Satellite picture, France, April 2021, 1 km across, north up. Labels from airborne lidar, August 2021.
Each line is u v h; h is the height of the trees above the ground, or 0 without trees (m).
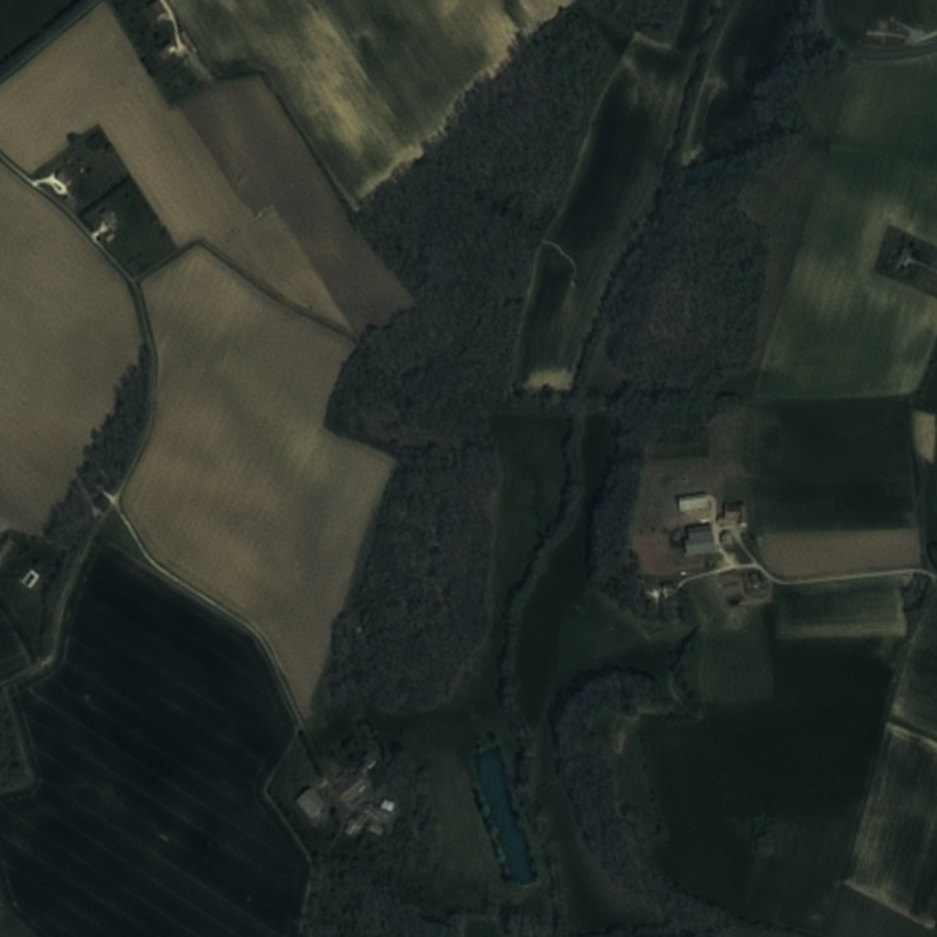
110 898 0
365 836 6
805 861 0
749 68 0
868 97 0
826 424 0
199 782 0
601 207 0
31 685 0
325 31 0
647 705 9
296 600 0
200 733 0
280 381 0
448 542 17
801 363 0
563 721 23
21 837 0
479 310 18
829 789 0
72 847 0
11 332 0
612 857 23
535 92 21
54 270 0
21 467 0
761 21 0
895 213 0
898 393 0
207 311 0
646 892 20
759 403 0
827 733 0
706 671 0
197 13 0
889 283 0
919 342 0
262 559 0
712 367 16
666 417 20
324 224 0
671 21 19
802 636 0
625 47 0
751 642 0
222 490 0
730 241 12
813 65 24
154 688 0
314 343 0
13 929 0
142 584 0
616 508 22
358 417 9
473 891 0
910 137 0
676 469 0
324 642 0
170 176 0
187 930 0
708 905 8
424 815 12
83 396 0
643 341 14
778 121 18
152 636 0
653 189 0
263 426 0
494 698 0
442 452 12
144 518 0
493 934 0
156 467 0
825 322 0
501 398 17
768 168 18
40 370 0
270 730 0
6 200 0
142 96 0
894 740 0
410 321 15
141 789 0
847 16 0
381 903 20
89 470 14
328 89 0
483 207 22
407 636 6
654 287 16
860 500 0
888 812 0
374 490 0
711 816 0
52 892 0
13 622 0
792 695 0
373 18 0
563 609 0
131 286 0
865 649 0
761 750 0
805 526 0
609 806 18
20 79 0
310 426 0
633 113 0
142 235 0
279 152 0
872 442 0
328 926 11
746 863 0
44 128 0
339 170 0
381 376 10
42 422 0
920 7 0
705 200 15
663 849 0
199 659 0
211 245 0
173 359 0
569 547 0
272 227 0
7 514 0
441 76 0
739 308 16
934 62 0
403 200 20
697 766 0
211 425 0
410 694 24
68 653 0
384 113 0
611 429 0
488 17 0
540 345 0
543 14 0
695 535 0
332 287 0
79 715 0
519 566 0
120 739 0
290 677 0
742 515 0
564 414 19
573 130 25
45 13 0
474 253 19
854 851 0
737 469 0
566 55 21
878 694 0
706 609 0
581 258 0
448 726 0
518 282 25
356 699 15
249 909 0
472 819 0
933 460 0
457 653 24
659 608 14
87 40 0
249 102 0
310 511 0
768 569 0
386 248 15
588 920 0
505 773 11
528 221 9
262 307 0
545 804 0
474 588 23
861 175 0
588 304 0
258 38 0
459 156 18
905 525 0
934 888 0
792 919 0
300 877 0
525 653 0
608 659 0
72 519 18
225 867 0
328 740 0
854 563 0
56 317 0
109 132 0
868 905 0
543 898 0
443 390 23
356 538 0
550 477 0
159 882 0
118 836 0
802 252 0
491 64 0
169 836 0
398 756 18
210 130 0
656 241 20
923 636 0
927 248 0
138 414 17
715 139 0
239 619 0
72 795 0
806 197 0
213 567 0
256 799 0
